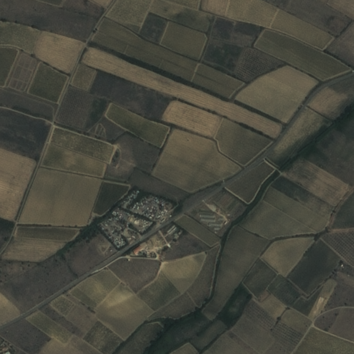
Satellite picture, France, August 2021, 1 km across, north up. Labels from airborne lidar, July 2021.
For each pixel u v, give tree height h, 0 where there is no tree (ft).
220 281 0
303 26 0
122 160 0
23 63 0
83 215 0
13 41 0
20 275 0
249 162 0
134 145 0
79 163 0
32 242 0
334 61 0
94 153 0
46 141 0
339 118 27
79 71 0
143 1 0
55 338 0
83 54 0
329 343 0
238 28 0
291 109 0
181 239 0
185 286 0
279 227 0
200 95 0
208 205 0
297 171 0
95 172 0
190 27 0
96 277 0
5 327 0
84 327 0
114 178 0
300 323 0
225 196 0
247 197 0
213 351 0
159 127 0
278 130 0
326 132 20
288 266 0
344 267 26
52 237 0
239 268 0
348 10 0
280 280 0
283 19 0
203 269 0
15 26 0
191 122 0
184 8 0
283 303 0
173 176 0
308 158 0
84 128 0
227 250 0
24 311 0
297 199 0
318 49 0
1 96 0
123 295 0
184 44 0
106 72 18
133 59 19
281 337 0
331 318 0
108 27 0
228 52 0
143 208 0
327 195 0
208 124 0
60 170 0
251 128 25
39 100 0
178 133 0
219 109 0
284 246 0
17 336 0
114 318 0
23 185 0
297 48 0
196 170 0
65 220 0
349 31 0
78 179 0
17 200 0
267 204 0
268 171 0
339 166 0
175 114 0
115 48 0
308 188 0
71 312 0
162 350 0
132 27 0
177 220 0
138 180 0
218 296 0
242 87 0
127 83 0
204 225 0
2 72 0
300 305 0
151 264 0
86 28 0
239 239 0
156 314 0
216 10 0
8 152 0
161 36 0
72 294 0
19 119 0
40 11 0
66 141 0
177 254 0
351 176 0
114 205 20
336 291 0
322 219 0
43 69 0
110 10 0
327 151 0
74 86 0
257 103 0
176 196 0
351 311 0
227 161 0
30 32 0
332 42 0
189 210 0
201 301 0
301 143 0
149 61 0
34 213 0
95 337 0
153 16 0
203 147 0
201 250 0
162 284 0
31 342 0
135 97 0
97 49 0
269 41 0
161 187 0
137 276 0
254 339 0
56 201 0
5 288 0
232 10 0
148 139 0
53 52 0
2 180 0
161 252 0
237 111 0
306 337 0
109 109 0
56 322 0
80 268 0
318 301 0
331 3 0
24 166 0
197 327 0
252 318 0
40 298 0
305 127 0
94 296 0
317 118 0
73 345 0
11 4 0
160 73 20
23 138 0
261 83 0
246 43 0
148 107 0
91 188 0
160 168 0
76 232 0
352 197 0
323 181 0
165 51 0
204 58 0
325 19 0
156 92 0
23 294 0
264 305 0
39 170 0
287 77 0
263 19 0
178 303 0
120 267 0
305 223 0
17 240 0
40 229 0
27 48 0
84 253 0
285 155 0
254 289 0
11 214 0
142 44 0
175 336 0
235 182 0
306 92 0
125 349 0
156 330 0
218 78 0
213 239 0
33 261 0
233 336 0
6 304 0
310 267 0
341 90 0
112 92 0
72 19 0
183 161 0
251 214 0
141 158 0
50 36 0
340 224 0
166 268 0
